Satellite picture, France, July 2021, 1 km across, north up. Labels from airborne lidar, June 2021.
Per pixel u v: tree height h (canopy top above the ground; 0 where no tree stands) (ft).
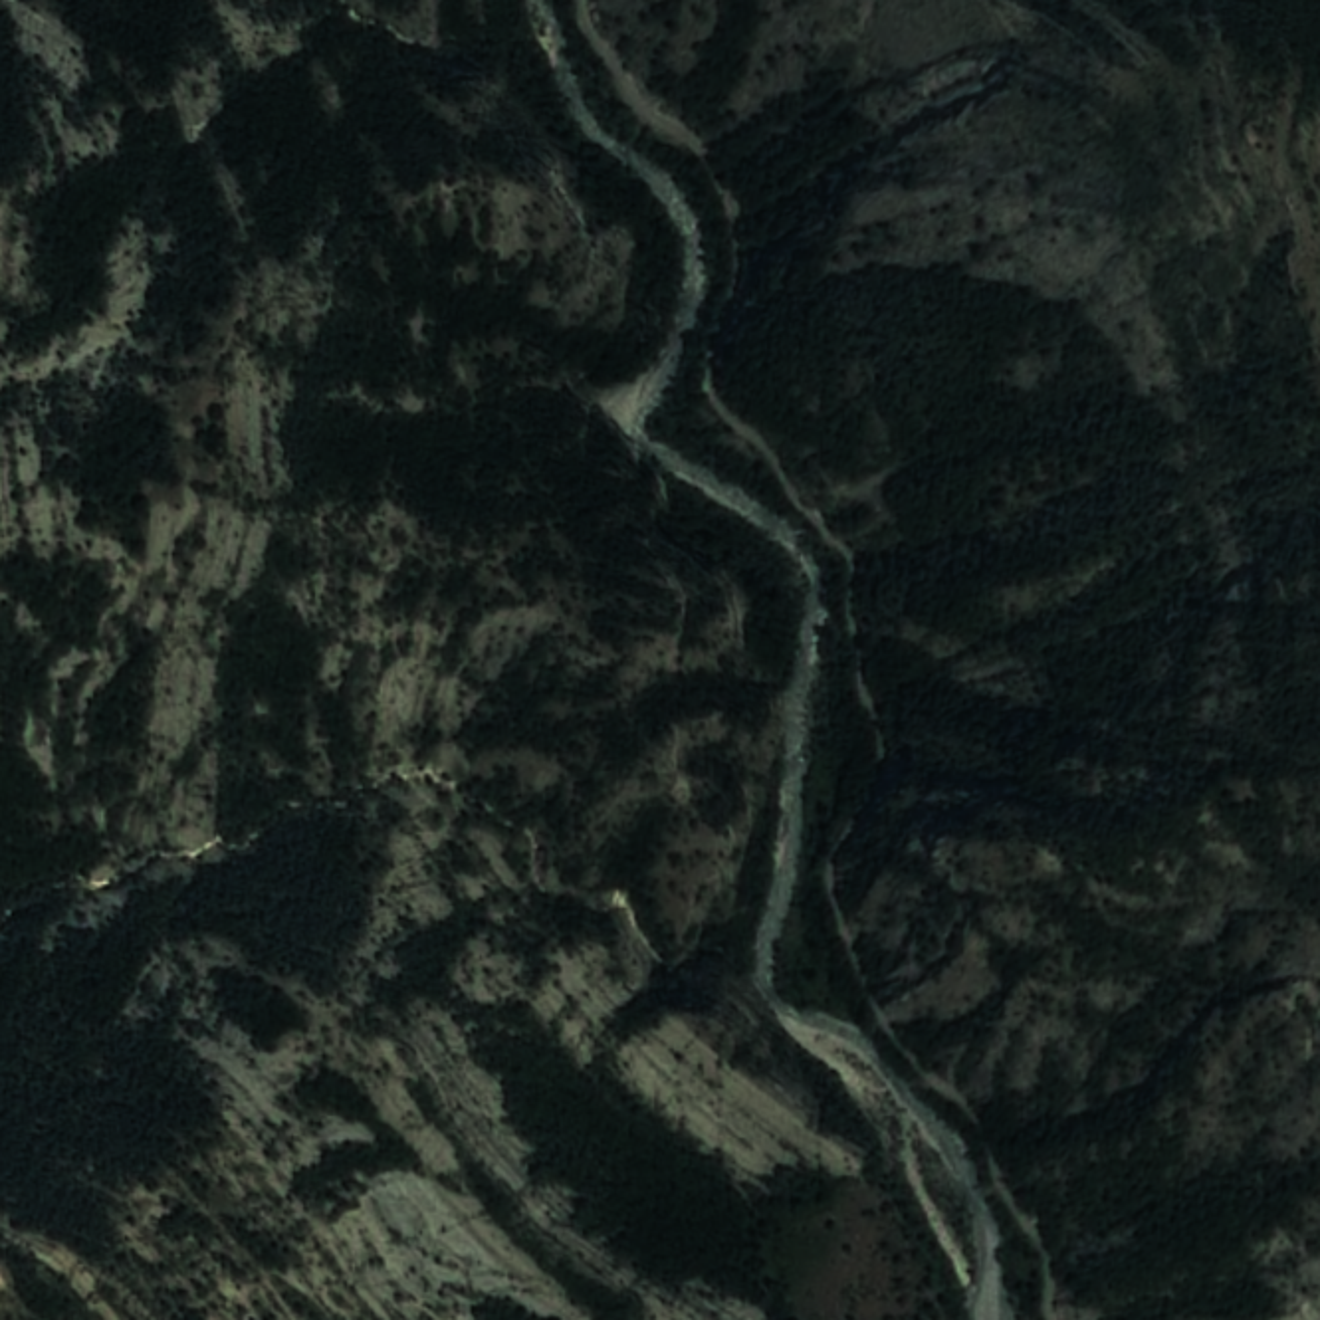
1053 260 0
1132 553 33
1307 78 33
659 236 49
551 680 26
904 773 35
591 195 44
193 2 31
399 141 21
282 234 27
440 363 18
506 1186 26
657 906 28
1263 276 22
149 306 23
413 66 22
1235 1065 20
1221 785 25
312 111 27
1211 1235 25
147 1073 26
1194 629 25
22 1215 17
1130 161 22
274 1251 26
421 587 27
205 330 21
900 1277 21
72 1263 0
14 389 25
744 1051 26
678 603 23
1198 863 18
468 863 19
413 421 32
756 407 40
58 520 0
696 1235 48
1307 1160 30
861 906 23
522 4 32
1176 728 25
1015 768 31
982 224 26
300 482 42
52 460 29
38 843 23
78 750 19
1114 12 21
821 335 35
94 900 23
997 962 27
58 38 0
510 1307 24
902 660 35
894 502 32
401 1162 24
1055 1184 19
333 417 20
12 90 46
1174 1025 27
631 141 46
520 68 48
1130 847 26
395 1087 0
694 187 53
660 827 23
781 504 23
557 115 27
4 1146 38
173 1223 33
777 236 45
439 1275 0
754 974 20
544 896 30
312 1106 20
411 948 37
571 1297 34
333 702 43
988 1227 0
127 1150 23
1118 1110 43
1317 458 43
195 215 31
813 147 50
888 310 46
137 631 17
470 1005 27
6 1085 23
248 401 0
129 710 33
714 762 33
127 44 34
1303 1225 21
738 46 48
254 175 28
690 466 26
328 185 31
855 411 25
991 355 41
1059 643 35
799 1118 0
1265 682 30
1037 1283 35
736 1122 0
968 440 37
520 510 26
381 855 31
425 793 0
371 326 21
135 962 43
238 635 22
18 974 35
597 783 23
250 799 41
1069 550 29
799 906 22
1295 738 19
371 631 0
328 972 31
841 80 29
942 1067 26
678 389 31
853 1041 0
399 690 0
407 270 33
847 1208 0
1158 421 23
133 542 22
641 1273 22
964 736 27
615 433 121
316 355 36
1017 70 25
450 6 48
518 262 23
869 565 27
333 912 23
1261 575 21
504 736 22
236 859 29
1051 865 0
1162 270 23
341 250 31
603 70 64
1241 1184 39
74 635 28
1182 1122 24
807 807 38
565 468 36
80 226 60
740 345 36
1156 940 20
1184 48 41
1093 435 31
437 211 23
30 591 22
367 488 24
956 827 34
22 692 21
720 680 35
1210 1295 22
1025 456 37
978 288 21
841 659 21
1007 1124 44
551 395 29
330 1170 20
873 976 47
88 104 28
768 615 49
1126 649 36
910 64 0
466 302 47
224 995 29
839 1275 0
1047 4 25
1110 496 30
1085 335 31
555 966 22
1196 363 20
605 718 24
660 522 59
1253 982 20
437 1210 0
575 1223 24
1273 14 56
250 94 66
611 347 37
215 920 21
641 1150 41
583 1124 45
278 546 30
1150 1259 25
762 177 45
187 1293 34
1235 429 21
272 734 25
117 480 44
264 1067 0
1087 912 18
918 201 0
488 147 23
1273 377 35
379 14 20
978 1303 0
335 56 22
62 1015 33
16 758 28
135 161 39
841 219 26
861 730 34
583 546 23
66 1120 20
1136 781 34
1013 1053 18
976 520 45
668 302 31
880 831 29
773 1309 38
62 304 46
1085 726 41
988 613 27
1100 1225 23
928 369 28
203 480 21
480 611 20
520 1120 38
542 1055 44
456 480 28
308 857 38
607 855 27
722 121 29
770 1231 27
